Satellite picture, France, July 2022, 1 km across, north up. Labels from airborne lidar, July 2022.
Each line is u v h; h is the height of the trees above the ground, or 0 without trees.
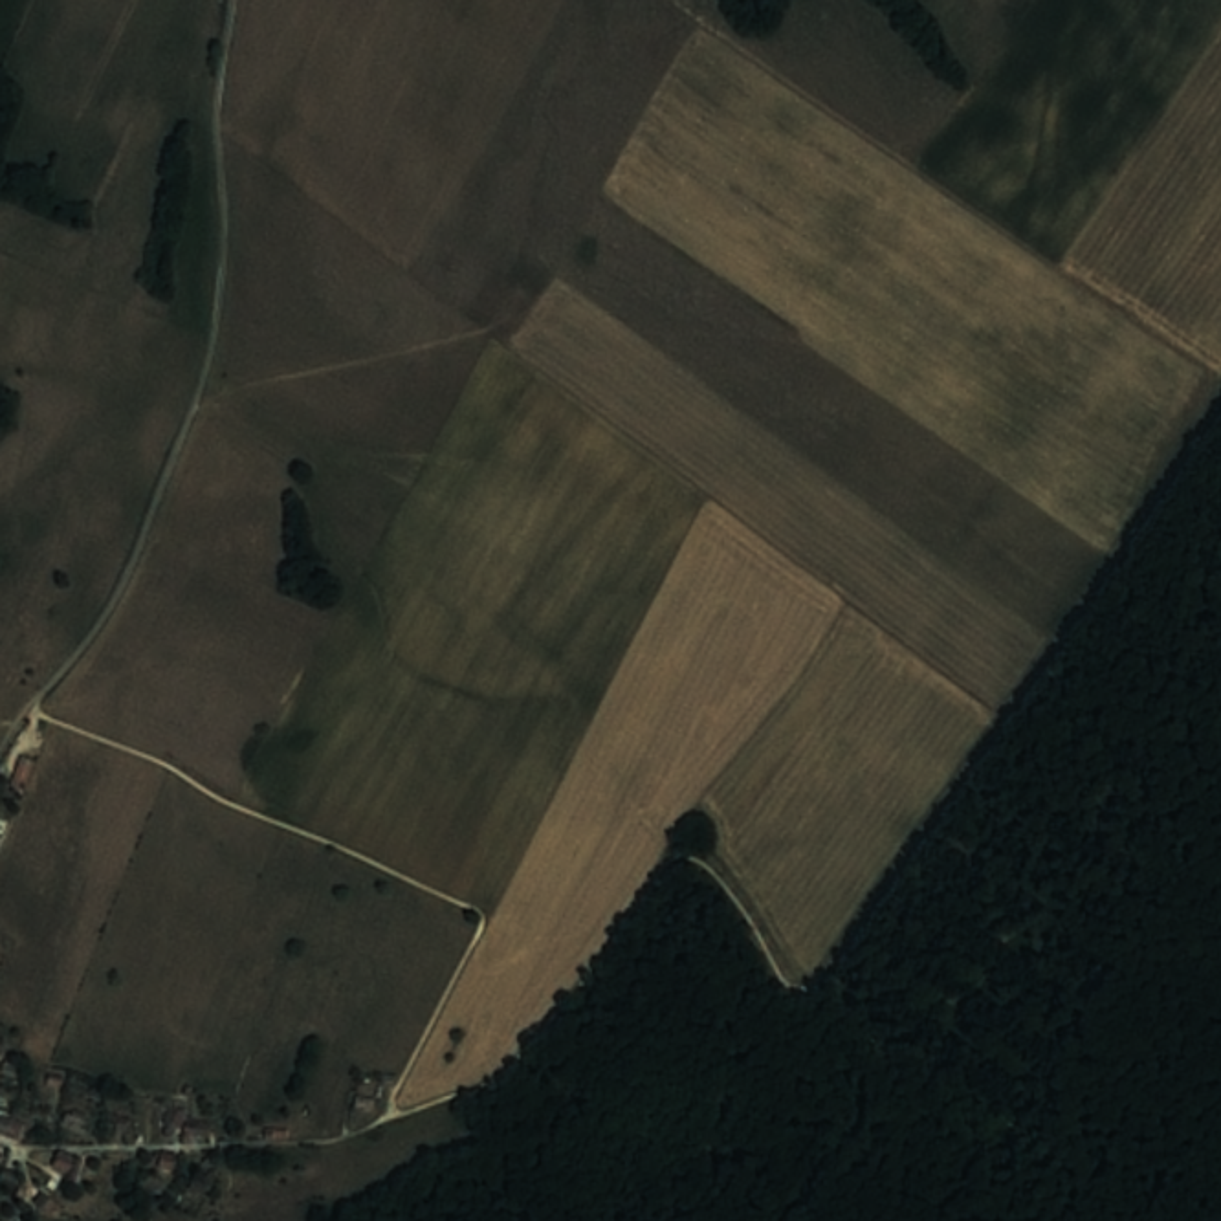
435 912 0
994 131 0
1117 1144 28
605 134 0
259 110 0
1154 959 23
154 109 0
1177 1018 25
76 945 0
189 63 0
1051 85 0
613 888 0
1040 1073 12
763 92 0
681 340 0
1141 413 0
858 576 0
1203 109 0
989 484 0
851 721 0
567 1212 20
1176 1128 28
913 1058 30
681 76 0
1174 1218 25
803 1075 25
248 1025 0
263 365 0
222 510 0
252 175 0
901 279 0
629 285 0
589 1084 26
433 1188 17
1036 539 0
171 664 0
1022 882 28
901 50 0
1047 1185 30
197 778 0
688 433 0
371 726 0
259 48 0
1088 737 29
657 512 0
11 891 0
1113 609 18
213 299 0
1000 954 17
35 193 10
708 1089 24
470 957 0
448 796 0
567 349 0
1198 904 29
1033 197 0
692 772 0
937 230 0
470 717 0
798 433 0
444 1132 0
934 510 0
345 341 0
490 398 0
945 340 0
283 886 0
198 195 0
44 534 0
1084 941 28
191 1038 0
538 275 0
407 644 0
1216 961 27
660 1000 25
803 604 0
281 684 0
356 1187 0
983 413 0
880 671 0
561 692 0
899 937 18
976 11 0
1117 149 0
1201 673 27
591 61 0
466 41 0
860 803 0
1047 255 0
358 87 0
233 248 0
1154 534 20
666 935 20
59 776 0
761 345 0
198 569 0
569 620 0
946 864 23
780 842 0
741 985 25
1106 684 27
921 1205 30
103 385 0
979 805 23
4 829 0
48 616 0
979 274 0
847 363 0
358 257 0
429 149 0
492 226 0
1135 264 0
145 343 0
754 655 0
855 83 0
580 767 0
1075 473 0
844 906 0
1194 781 26
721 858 0
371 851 0
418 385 0
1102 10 0
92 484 0
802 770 0
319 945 0
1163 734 26
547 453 0
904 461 0
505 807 0
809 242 0
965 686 0
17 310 0
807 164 0
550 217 0
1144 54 0
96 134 0
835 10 0
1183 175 0
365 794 0
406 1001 0
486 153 0
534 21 0
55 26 0
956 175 0
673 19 0
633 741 0
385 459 0
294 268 0
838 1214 32
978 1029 29
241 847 0
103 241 0
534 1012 0
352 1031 0
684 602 0
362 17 0
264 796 0
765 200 0
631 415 0
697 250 0
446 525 0
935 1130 22
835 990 26
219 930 0
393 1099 0
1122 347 0
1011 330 0
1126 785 30
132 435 0
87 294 0
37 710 0
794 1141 24
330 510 0
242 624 0
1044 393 0
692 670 0
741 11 12
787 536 0
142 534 0
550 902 0
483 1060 0
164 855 0
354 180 0
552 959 0
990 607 0
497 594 0
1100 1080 23
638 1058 26
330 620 0
